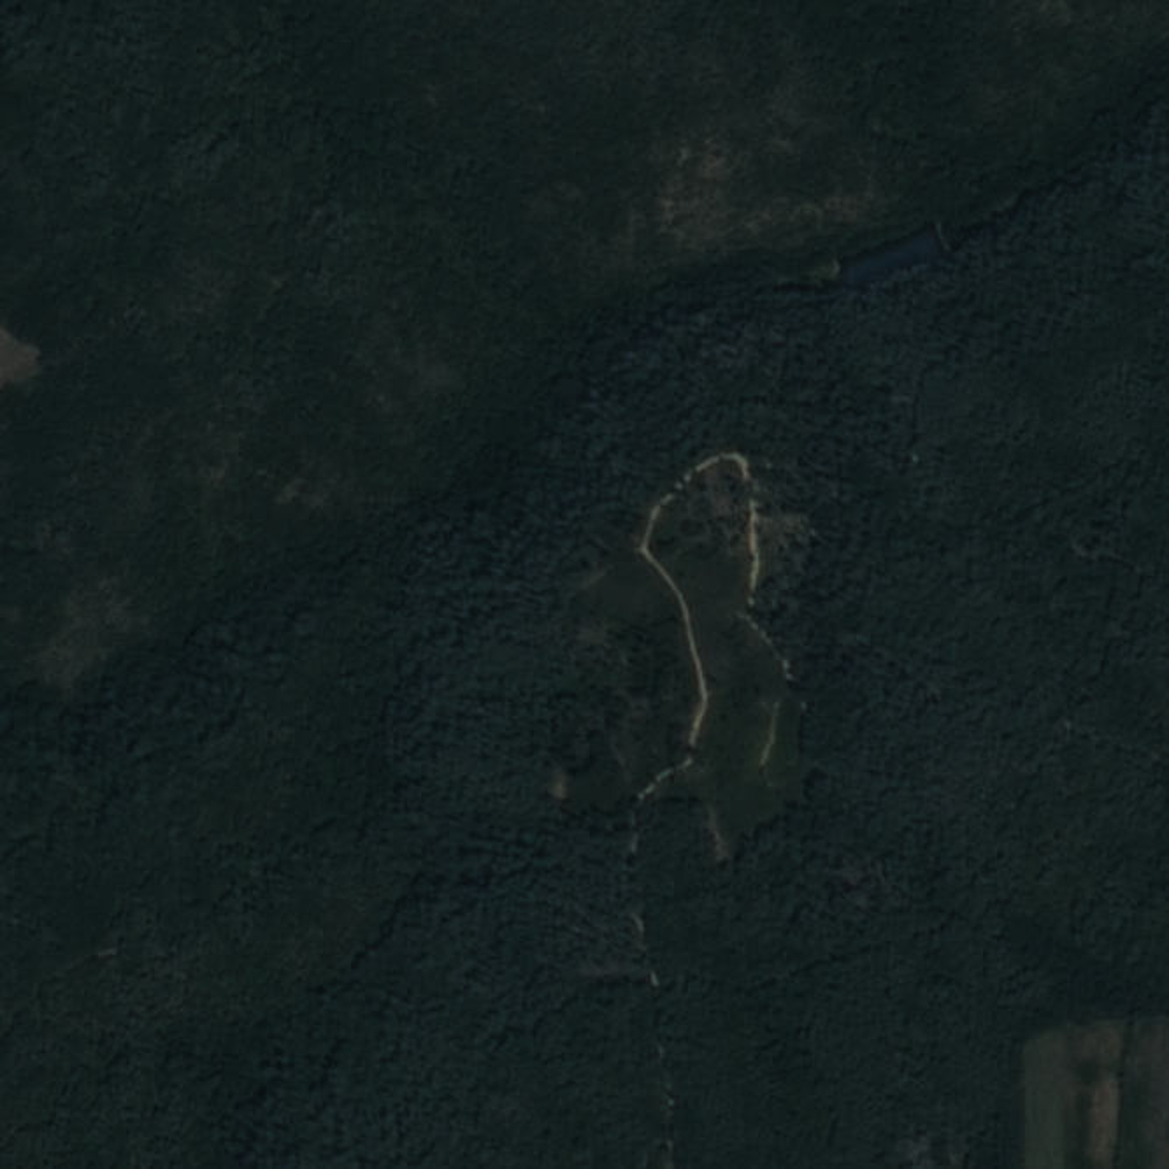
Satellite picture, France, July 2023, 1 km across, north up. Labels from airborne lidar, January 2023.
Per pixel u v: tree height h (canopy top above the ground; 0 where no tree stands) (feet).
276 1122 77
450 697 93
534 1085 72
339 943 23
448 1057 69
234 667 31
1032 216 77
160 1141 48
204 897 62
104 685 53
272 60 69
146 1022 80
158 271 48
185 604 54
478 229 72
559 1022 73
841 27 68
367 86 45
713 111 28
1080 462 43
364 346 23
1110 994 36
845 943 58
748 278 59
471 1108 41
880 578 60
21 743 78
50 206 24
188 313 21
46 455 52
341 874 55
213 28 55
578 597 54
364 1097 47
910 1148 61
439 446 52
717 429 64
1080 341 59
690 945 57
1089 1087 0
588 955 62
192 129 73
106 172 57
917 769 47
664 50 34
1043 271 48
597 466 36
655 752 0
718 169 0
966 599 62
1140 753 49
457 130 37
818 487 103
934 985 46
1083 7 37
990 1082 66
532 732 62
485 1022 49
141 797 60
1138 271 70
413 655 43
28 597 22
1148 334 73
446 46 52
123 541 54
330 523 20
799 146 26
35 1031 55
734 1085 77
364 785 74
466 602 49
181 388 42
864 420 101
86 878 51
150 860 35
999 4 21
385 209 48
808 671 93
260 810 50
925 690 56
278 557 46
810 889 76
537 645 53
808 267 56
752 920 69
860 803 54
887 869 75
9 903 54
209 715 40
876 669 76
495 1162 40
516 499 39
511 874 80
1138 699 45
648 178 31
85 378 48
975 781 50
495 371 63
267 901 69
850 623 56
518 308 75
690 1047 42
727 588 0
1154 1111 0
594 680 38
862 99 55
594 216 32
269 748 30
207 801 39
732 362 81
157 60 54
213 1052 83
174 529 50
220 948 52
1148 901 36
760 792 0
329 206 54
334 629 40
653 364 62
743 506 60
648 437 54
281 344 71
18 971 58
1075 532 43
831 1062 62
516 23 39
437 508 64
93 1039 49
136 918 56
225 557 46
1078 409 42
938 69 44
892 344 86
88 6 88
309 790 57
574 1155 59
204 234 31
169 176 65
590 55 36
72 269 29
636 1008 47
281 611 53
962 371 48
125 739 44
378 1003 52
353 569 49
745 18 53
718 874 58
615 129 34
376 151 62
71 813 51
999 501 39
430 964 69
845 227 46
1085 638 43
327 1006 67
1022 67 28
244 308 52
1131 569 55
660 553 23
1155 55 59
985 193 71
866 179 33
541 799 74
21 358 0
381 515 46
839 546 98
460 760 76
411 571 50
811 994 63
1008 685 53
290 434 30
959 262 41
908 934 54
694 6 52
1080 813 64
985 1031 56
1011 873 62
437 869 67
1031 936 45
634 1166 52
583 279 38
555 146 27
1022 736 54
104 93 18
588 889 77
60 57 67
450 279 48
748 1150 51
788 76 38
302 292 30
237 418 32
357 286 41
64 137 42
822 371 93
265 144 31
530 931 77
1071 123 60
